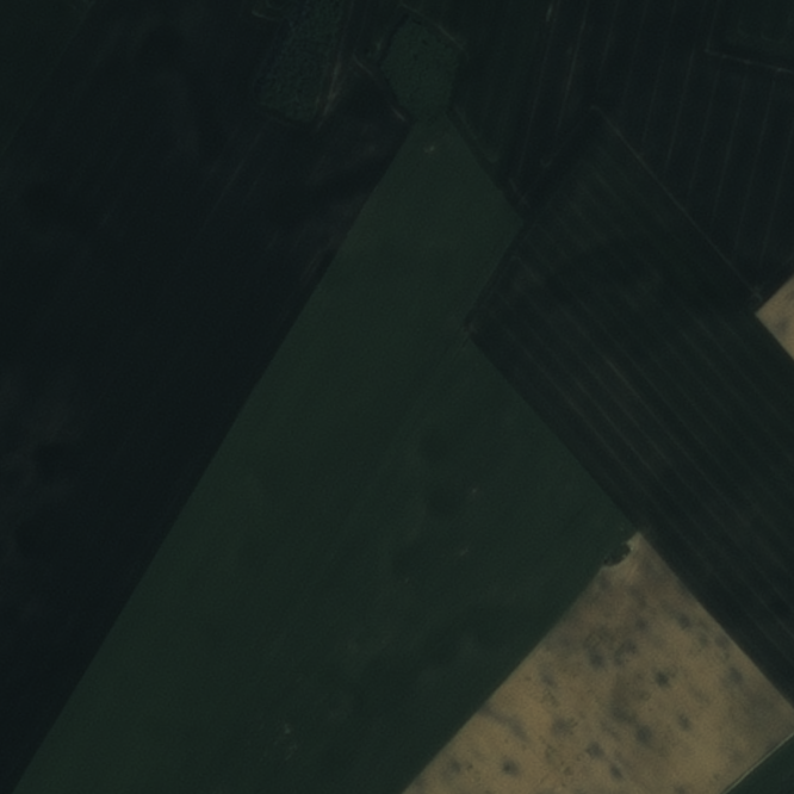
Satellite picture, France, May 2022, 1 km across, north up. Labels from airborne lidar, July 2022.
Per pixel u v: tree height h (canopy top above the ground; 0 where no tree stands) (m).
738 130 0
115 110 0
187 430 0
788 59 0
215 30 0
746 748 0
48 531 0
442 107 15
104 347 0
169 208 0
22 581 0
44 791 0
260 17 0
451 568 0
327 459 0
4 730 0
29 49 0
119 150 0
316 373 0
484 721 0
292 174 0
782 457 0
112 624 0
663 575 0
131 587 0
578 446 0
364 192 0
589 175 0
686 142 0
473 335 0
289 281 0
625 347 0
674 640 0
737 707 0
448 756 0
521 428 0
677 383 0
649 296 0
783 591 0
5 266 0
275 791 0
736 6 0
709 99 0
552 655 0
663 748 0
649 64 0
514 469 0
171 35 0
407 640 0
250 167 0
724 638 0
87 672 0
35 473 0
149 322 0
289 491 0
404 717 0
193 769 0
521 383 0
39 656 0
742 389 0
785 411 0
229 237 0
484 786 0
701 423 0
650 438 0
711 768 0
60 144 0
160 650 0
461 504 0
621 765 0
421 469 0
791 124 0
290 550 0
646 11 0
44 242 0
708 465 0
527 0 0
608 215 0
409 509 0
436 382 0
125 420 0
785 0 0
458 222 0
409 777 0
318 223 0
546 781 0
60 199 0
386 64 16
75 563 0
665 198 0
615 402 0
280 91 22
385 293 0
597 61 0
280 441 0
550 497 0
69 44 0
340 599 0
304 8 24
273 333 0
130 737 0
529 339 0
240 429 0
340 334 0
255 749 0
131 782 0
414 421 0
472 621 0
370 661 0
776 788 0
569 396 0
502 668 0
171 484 0
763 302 0
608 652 0
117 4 0
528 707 0
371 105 0
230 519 0
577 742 0
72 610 0
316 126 0
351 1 0
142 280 0
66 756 0
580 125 0
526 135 0
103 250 0
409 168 0
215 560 0
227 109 0
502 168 0
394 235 0
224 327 0
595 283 0
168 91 0
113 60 0
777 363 0
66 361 0
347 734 0
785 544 0
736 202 0
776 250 0
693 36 0
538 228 0
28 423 0
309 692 0
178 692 0
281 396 0
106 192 0
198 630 0
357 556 0
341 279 0
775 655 0
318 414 0
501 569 0
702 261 0
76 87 0
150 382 0
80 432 0
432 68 18
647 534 0
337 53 0
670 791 0
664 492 0
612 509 0
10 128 0
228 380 0
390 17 0
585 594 0
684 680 0
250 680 0
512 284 0
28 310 0
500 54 0
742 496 0
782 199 0
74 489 0
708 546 0
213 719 0
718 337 0
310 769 0
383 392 0
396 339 0
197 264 0
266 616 0
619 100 0
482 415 0
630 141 0
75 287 0
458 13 0
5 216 0
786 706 0
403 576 0
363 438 0
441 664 0
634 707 0
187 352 0
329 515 0
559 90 0
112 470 0
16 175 0
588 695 0
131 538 0
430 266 0
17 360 0
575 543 0
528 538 0
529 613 0
